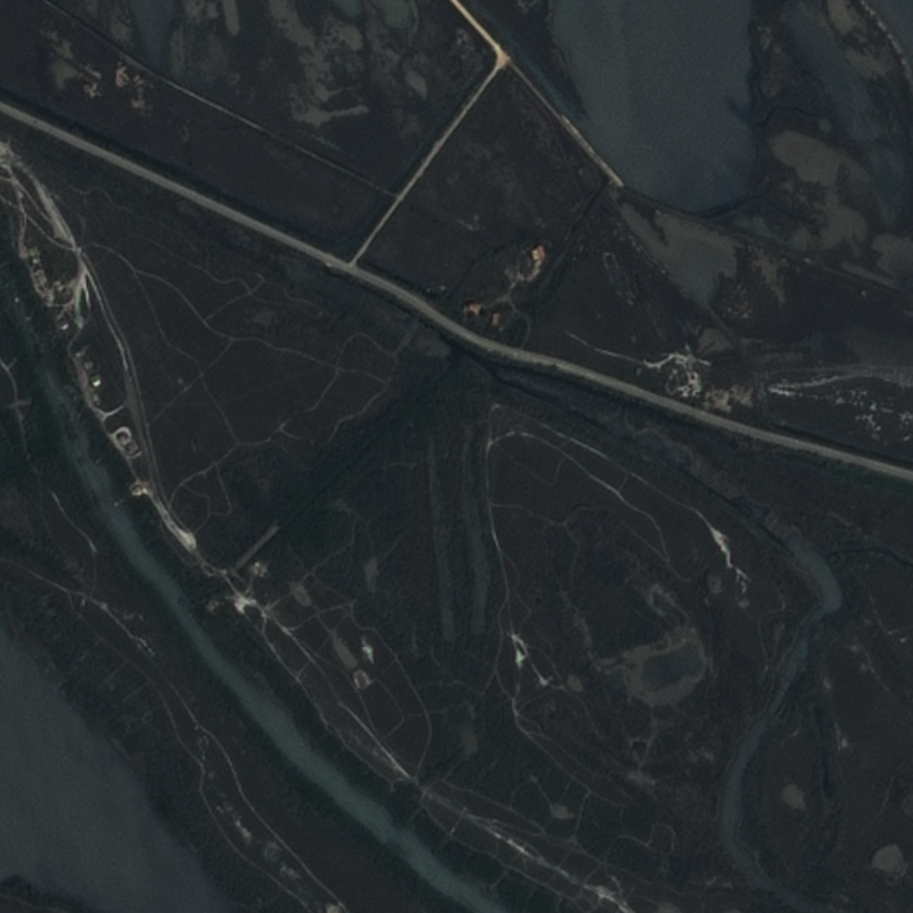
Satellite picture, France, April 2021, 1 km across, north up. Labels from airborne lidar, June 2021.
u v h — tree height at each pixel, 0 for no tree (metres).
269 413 0
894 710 0
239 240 0
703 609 0
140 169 0
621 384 0
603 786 0
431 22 0
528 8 0
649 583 0
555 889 0
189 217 0
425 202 0
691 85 0
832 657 0
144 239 0
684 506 0
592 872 0
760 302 0
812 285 0
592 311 0
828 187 0
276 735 0
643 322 0
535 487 0
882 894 0
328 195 0
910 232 0
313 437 0
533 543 0
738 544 0
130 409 0
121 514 0
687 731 0
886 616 0
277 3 0
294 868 0
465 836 0
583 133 0
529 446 0
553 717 0
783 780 0
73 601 0
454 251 0
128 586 0
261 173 0
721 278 0
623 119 0
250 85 0
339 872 0
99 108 0
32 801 0
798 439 0
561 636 0
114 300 0
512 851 0
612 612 0
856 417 0
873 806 0
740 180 0
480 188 0
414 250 0
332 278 0
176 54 0
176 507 0
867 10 0
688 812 0
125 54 0
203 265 0
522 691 0
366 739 0
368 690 0
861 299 0
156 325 0
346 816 6
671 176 0
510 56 0
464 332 0
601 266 0
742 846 0
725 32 0
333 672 0
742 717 0
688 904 0
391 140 0
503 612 0
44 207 0
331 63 0
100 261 0
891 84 0
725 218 0
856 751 0
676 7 0
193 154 0
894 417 0
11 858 0
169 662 0
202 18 0
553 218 0
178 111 0
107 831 0
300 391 0
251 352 0
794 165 0
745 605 0
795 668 0
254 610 0
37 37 0
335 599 0
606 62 0
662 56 0
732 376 0
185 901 0
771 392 0
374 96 0
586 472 0
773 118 0
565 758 0
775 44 0
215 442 0
